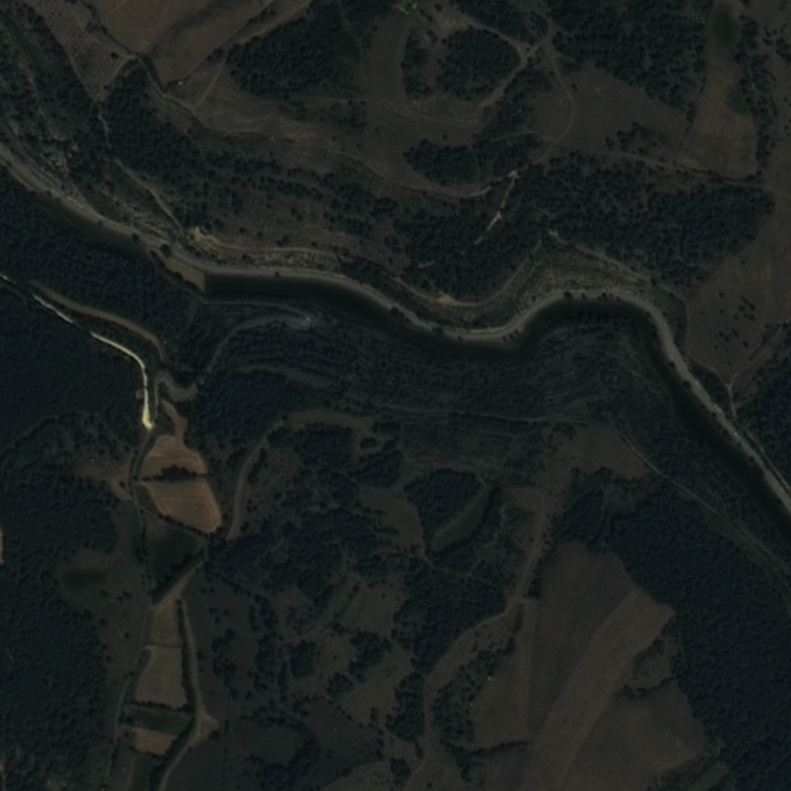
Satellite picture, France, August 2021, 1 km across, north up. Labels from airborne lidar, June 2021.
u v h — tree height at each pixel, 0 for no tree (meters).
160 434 0
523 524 0
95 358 14
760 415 13
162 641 0
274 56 9
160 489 0
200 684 0
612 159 0
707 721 7
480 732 0
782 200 0
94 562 0
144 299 9
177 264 0
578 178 11
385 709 0
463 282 10
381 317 0
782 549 9
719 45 0
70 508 13
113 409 14
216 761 0
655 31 11
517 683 0
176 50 0
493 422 8
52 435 13
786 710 15
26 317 9
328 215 12
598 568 0
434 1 0
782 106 0
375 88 0
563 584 0
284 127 0
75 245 14
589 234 15
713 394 11
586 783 0
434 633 11
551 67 0
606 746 0
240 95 0
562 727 0
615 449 0
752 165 0
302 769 12
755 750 17
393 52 0
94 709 8
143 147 16
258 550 17
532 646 0
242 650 0
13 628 15
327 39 6
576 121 0
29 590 13
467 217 13
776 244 0
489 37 8
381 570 12
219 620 7
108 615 0
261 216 0
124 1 0
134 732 0
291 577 10
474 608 7
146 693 0
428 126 0
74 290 14
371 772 0
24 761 7
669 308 0
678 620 7
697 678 13
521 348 0
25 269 16
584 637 0
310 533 7
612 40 13
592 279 0
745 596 15
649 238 11
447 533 0
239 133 0
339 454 14
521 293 0
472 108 0
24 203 9
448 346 0
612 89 0
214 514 0
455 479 13
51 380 12
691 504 8
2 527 9
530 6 0
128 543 0
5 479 14
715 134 0
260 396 17
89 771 0
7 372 13
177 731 0
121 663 0
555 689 0
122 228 0
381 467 13
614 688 0
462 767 7
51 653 14
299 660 17
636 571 12
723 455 0
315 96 0
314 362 6
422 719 10
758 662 15
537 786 0
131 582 0
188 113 0
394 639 7
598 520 8
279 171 13
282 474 0
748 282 0
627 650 0
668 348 0
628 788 0
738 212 8
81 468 0
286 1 0
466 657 0
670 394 0
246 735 0
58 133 0
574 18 12
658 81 7
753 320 7
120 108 8
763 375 15
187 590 0
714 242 9
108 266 7
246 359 7
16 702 13
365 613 0
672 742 0
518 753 0
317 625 0
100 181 11
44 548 13
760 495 0
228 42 0
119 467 0
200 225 14
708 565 16
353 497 13
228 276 0
